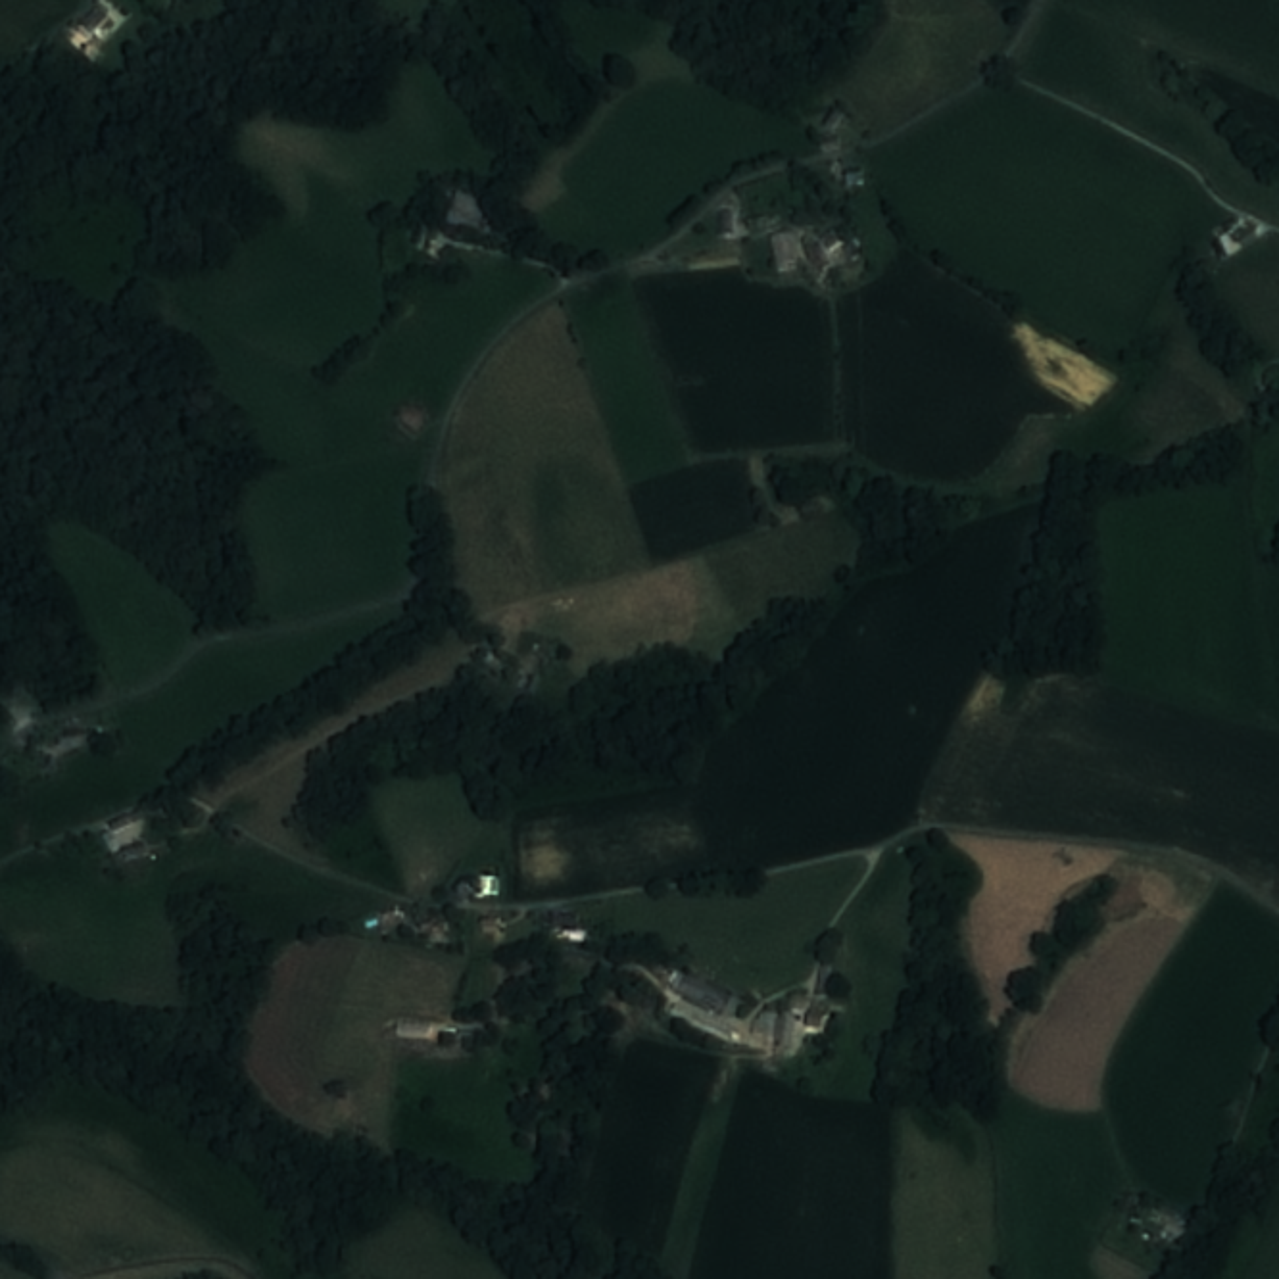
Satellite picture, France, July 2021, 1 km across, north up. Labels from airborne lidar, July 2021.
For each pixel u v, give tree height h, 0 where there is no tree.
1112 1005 0
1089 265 0
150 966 0
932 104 0
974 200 0
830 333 0
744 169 17
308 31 20
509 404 0
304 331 0
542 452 0
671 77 0
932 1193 0
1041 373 0
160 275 10
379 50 25
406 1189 23
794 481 7
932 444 0
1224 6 0
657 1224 0
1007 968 0
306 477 0
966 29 0
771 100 16
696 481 0
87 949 0
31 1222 0
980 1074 21
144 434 20
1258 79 0
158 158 11
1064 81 0
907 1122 0
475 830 0
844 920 0
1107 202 0
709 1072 0
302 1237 22
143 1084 27
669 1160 0
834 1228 0
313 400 0
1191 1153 0
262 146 0
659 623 0
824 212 8
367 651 18
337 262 0
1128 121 0
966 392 0
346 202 0
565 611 0
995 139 0
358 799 26
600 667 8
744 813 0
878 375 0
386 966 0
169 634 0
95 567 0
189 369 26
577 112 12
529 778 17
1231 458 9
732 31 23
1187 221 0
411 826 0
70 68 12
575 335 9
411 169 0
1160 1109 0
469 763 27
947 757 0
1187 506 0
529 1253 24
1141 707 0
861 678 0
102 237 0
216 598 21
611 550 0
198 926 17
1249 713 0
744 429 0
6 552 22
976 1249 0
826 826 0
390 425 0
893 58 0
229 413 15
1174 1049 0
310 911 0
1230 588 0
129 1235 0
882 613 0
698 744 22
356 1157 10
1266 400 7
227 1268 0
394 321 10
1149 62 0
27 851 0
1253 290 0
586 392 0
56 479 21
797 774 0
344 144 0
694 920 0
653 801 0
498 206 22
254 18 23
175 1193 0
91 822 0
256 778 0
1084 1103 0
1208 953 0
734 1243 0
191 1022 14
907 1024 20
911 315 0
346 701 21
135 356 17
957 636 0
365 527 0
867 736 0
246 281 0
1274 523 0
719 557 0
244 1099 21
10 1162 0
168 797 20
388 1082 0
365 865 0
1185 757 0
